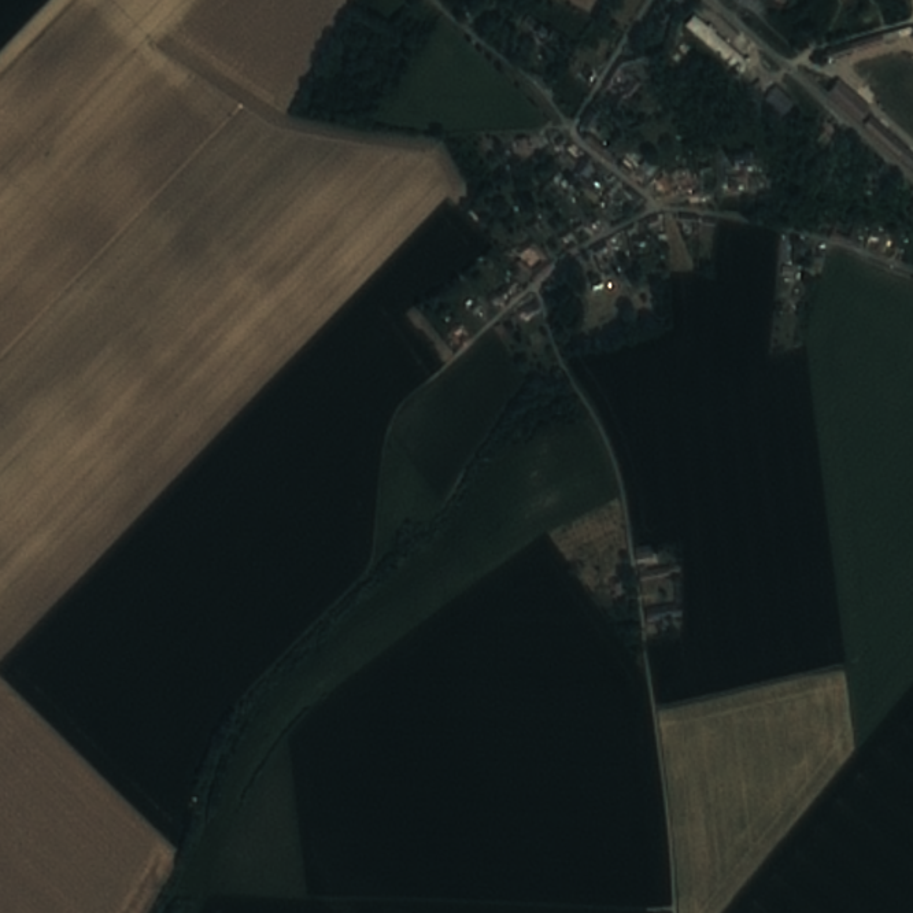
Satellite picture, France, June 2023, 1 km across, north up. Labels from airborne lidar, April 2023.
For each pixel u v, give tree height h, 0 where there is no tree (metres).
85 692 0
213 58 0
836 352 0
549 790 0
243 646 0
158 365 0
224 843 0
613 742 0
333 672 0
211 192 0
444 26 0
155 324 0
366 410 0
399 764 0
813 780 0
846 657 0
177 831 0
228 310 0
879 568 0
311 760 0
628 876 0
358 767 0
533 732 0
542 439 0
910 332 0
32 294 0
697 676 0
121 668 0
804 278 11
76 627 0
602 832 0
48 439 0
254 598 0
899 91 0
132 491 0
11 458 0
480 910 0
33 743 0
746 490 0
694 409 0
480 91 0
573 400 6
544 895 0
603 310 0
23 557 0
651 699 0
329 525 0
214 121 0
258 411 0
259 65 0
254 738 0
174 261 0
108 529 0
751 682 0
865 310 0
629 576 17
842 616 0
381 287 0
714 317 0
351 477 0
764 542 0
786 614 0
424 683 0
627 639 12
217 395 0
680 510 0
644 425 0
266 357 0
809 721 0
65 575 0
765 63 0
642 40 11
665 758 0
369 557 0
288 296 0
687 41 0
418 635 0
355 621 0
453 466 0
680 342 0
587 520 0
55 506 0
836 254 0
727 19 0
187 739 0
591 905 0
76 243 0
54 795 0
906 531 0
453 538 0
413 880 0
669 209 0
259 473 0
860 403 0
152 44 0
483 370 0
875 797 0
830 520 0
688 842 0
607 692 0
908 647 0
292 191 0
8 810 0
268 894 0
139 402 0
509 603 0
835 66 0
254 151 0
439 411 0
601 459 0
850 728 0
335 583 0
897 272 0
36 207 0
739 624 0
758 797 0
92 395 0
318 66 21
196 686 0
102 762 0
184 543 0
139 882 0
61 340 0
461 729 0
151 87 0
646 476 0
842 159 17
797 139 7
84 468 0
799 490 0
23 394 0
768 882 0
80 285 0
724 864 0
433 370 0
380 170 0
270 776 0
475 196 11
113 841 0
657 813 0
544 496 0
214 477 0
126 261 0
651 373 0
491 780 0
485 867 0
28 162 0
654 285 17
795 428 0
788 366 0
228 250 0
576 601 0
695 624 0
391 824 0
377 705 0
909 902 0
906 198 8
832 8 0
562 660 0
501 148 16
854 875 0
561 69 13
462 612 0
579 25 0
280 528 0
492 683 0
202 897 0
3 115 0
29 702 0
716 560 0
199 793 6
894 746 0
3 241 0
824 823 0
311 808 0
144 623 0
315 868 0
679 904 0
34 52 0
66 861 0
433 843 0
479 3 19
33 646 0
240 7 0
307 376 0
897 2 6
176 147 0
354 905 0
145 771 0
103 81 0
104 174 0
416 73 0
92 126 0
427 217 0
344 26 15
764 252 0
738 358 0
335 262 0
